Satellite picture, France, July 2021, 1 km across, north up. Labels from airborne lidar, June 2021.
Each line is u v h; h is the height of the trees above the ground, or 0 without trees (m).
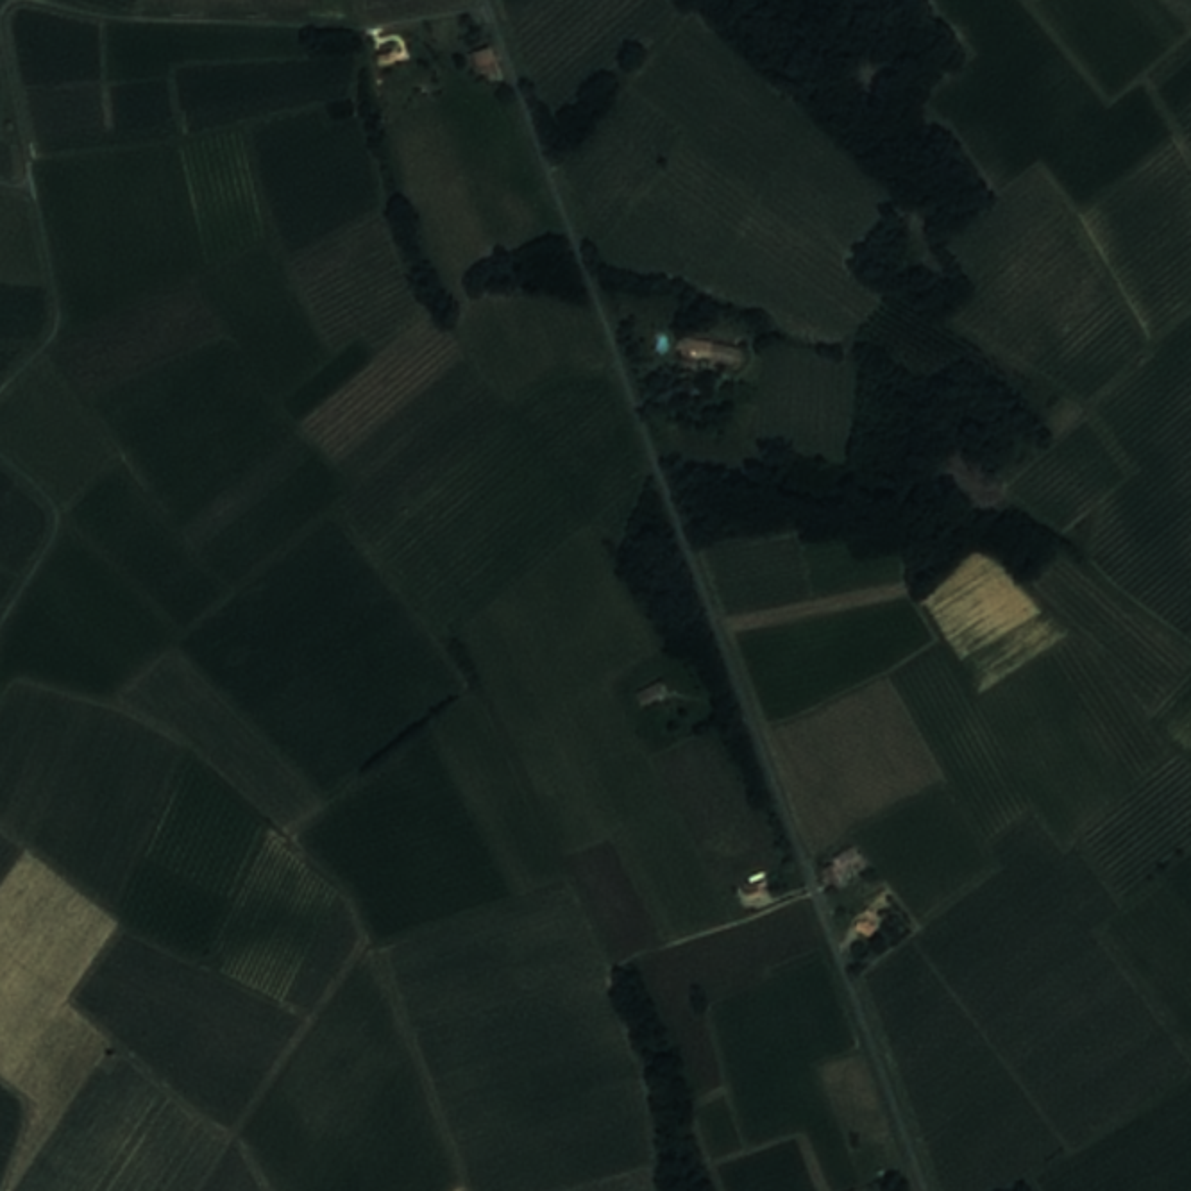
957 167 23
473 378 0
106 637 0
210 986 0
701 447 0
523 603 0
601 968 0
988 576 0
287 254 0
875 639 0
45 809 0
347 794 0
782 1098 0
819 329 0
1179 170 0
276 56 0
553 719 0
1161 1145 0
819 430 0
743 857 0
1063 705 0
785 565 0
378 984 0
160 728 0
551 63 0
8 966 0
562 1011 0
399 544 0
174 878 0
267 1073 0
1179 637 0
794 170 0
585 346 0
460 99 0
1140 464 0
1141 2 0
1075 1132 0
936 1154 0
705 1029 0
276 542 0
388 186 9
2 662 0
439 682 0
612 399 0
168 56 0
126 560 0
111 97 0
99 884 0
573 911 0
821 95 17
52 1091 0
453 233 0
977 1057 0
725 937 0
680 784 0
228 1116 0
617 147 0
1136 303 0
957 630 0
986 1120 0
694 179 0
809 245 0
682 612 21
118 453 0
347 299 0
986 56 0
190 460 0
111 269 0
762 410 0
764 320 10
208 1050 0
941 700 0
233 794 0
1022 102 0
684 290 8
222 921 0
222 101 0
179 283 0
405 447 0
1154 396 0
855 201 0
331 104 0
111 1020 0
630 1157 0
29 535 0
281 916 0
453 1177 0
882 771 0
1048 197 0
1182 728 0
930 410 17
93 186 0
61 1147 0
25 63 0
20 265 0
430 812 0
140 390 0
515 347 0
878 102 23
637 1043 8
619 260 0
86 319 0
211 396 0
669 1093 14
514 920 0
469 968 0
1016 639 0
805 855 0
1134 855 0
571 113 10
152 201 0
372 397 0
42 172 0
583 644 0
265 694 0
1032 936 0
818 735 0
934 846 0
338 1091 0
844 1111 0
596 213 0
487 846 0
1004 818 0
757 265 0
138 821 0
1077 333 0
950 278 12
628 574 15
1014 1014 0
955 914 0
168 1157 0
